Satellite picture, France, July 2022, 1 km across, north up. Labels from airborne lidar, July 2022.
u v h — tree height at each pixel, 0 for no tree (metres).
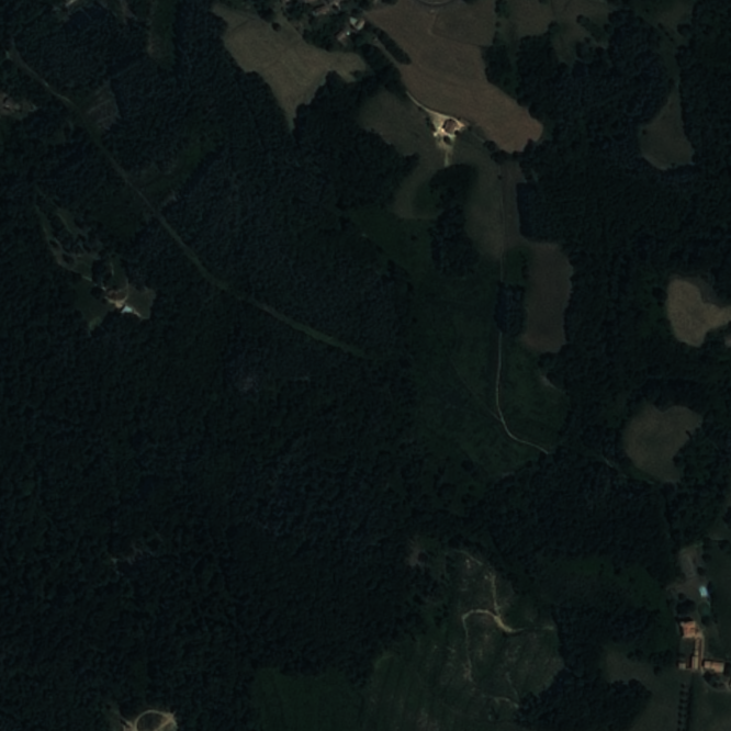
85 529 22
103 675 18
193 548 7
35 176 25
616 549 31
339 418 26
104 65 22
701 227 28
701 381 7
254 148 21
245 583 26
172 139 28
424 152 0
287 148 27
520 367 0
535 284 0
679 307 0
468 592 0
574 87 32
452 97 0
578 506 21
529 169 16
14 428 22
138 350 15
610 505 28
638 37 33
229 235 12
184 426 23
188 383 14
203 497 23
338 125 27
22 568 25
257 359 22
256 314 20
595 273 27
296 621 19
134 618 29
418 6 0
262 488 20
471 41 0
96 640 25
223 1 7
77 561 33
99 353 15
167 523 30
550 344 0
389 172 15
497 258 0
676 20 0
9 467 30
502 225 0
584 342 23
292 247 18
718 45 7
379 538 13
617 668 0
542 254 0
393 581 26
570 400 16
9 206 31
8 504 30
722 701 0
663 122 0
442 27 0
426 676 0
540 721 24
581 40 0
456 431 0
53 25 22
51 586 20
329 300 21
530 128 0
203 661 22
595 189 14
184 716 27
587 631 23
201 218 10
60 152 19
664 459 0
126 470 12
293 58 0
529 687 0
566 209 9
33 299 17
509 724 0
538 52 6
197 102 21
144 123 21
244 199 18
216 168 25
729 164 20
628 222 9
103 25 31
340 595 26
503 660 0
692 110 17
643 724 0
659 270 17
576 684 28
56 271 21
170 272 24
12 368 21
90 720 25
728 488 15
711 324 0
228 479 21
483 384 0
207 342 13
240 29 0
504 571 23
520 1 0
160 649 20
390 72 13
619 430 8
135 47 20
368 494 24
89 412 14
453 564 22
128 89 25
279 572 26
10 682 26
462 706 0
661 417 0
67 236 17
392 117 0
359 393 18
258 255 23
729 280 27
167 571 25
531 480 16
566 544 24
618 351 25
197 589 21
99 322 0
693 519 6
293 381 13
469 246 22
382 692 0
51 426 28
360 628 25
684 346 11
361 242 30
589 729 17
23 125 16
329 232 26
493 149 17
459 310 0
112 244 17
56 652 23
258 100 28
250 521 20
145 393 22
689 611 14
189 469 35
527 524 28
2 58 6
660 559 29
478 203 0
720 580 0
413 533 26
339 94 29
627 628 29
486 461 0
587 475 31
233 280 15
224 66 32
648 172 32
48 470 29
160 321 19
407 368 33
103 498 32
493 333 0
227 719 28
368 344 18
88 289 0
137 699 26
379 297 24
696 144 24
